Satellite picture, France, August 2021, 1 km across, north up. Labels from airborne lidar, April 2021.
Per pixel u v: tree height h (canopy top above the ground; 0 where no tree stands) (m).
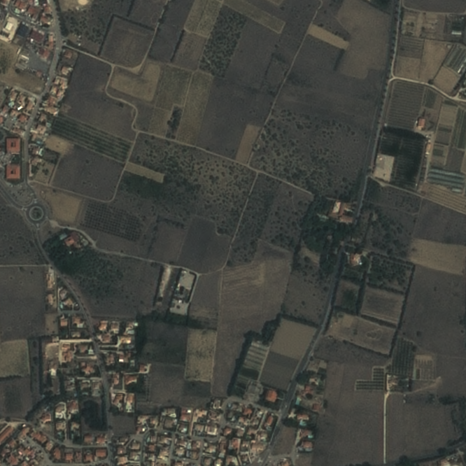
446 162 0
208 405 6
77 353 8
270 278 0
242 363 14
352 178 0
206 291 0
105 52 0
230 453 8
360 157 0
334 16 0
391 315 0
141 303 6
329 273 6
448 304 0
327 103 0
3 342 0
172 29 0
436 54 0
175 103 0
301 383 18
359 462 0
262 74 0
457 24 0
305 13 0
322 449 0
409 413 0
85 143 0
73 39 0
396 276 8
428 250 0
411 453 0
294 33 0
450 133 0
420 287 0
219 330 0
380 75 0
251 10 0
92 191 0
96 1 0
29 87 0
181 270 6
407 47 0
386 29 0
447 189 0
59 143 0
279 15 0
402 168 0
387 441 0
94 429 17
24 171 0
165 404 0
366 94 0
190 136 0
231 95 0
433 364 0
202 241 0
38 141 0
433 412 0
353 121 0
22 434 0
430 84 5
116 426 0
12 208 0
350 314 12
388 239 12
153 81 0
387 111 0
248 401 0
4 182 0
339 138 0
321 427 0
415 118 0
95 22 0
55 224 0
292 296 0
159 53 0
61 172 0
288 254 0
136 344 6
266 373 0
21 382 0
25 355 0
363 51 0
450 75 0
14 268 0
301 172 7
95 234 0
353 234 21
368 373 0
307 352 0
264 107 0
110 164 0
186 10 0
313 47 0
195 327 0
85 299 0
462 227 0
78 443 10
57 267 10
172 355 0
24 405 0
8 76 0
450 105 0
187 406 0
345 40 6
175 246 0
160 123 0
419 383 0
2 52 0
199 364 0
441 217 0
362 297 14
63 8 0
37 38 0
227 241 0
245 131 0
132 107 0
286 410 0
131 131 0
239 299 0
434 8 0
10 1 0
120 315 0
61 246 7
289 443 0
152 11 0
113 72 0
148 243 0
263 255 0
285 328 0
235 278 0
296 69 0
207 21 0
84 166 0
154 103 0
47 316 0
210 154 0
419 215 0
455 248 0
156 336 0
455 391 0
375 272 8
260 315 0
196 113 0
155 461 0
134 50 0
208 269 0
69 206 0
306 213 6
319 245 11
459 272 0
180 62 0
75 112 0
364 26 0
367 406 0
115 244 0
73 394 0
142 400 0
